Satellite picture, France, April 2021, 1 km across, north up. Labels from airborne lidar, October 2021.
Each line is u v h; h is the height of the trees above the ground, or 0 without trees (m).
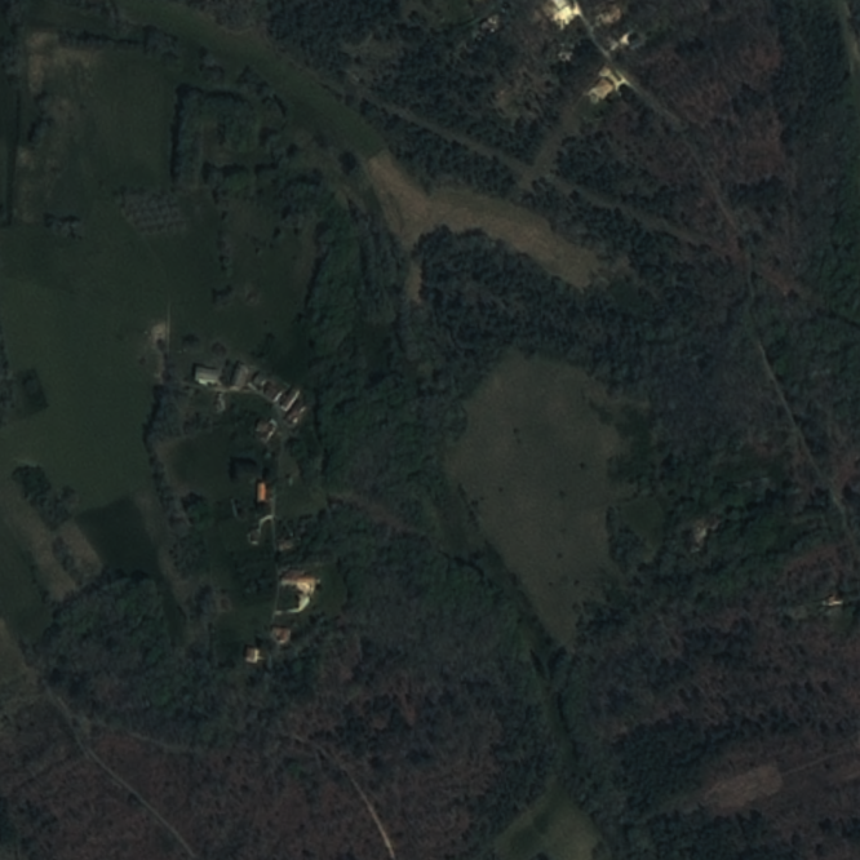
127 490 0
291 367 0
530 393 0
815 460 10
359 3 14
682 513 9
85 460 0
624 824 16
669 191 11
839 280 25
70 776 10
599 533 0
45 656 18
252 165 0
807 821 11
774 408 13
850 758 9
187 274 0
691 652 23
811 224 25
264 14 11
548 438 0
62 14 0
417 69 15
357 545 24
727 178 13
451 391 14
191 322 0
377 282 32
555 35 16
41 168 0
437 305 10
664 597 18
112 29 26
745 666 12
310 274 0
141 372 0
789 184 13
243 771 7
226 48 0
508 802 17
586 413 0
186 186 17
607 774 19
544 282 12
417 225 0
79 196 0
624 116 7
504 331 18
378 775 20
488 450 0
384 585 22
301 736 6
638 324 13
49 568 0
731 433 17
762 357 22
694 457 16
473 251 12
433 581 24
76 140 0
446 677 19
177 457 0
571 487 0
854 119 25
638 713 21
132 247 0
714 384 25
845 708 10
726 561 15
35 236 0
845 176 24
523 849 0
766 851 12
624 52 15
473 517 9
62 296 0
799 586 12
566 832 0
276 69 0
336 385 19
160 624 18
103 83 0
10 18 20
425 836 10
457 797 9
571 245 12
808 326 20
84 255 0
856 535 19
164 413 18
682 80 10
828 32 19
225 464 0
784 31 17
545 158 0
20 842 20
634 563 22
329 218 18
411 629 21
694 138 11
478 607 24
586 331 14
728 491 9
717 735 10
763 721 8
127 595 24
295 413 0
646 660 18
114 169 0
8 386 10
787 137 12
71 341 0
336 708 10
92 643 21
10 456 0
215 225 0
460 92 20
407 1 16
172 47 16
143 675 18
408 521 18
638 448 0
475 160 7
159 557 0
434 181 16
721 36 10
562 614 0
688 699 7
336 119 0
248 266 0
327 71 10
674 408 19
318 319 24
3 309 0
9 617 0
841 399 14
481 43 9
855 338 26
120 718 13
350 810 7
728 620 5
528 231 0
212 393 0
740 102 14
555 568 0
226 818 7
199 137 13
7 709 0
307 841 7
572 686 26
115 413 0
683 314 23
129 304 0
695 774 22
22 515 0
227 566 0
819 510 13
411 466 26
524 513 0
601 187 12
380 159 0
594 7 11
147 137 0
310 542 11
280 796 9
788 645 9
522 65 8
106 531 0
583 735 22
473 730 14
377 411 25
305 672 19
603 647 12
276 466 0
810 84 16
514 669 16
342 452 23
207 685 19
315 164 0
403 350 20
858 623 11
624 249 11
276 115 16
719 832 19
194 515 19
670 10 15
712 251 0
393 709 10
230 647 0
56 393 0
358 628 13
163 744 15
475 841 23
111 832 11
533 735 15
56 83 0
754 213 15
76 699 20
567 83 14
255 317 0
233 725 12
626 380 15
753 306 12
